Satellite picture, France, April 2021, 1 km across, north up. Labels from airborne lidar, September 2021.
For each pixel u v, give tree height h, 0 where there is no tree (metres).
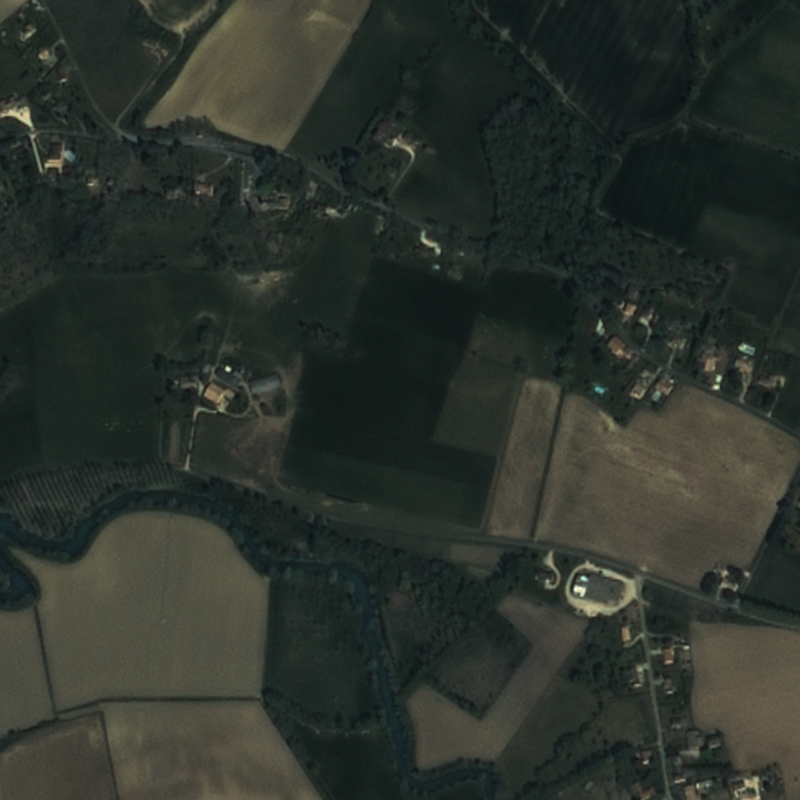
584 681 20
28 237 18
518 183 19
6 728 0
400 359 0
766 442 0
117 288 0
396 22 0
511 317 0
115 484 25
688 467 0
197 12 0
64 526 20
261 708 0
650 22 0
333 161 11
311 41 0
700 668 0
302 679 0
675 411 0
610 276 21
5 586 14
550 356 0
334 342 15
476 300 0
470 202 0
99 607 0
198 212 13
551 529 0
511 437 0
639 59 0
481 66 0
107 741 0
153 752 0
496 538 0
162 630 0
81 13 0
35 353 0
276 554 14
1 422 0
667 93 0
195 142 0
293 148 0
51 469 0
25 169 7
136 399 0
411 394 0
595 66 0
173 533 0
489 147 18
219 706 0
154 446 0
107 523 0
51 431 0
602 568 0
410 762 0
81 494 24
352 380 0
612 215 0
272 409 0
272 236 6
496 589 17
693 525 0
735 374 8
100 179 14
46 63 5
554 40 0
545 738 0
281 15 0
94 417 0
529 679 0
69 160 0
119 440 0
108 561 0
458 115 0
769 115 0
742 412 0
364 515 0
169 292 0
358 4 0
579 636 0
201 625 0
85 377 0
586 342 0
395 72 0
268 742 0
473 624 15
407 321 0
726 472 0
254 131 0
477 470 0
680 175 0
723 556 0
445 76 0
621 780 10
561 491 0
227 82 0
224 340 0
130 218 20
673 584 0
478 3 0
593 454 0
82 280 0
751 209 0
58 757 0
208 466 0
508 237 18
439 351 0
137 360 0
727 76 0
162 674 0
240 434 0
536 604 0
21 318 0
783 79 0
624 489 0
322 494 0
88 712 0
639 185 0
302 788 0
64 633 0
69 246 12
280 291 0
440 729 0
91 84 0
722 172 0
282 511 15
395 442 0
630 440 0
